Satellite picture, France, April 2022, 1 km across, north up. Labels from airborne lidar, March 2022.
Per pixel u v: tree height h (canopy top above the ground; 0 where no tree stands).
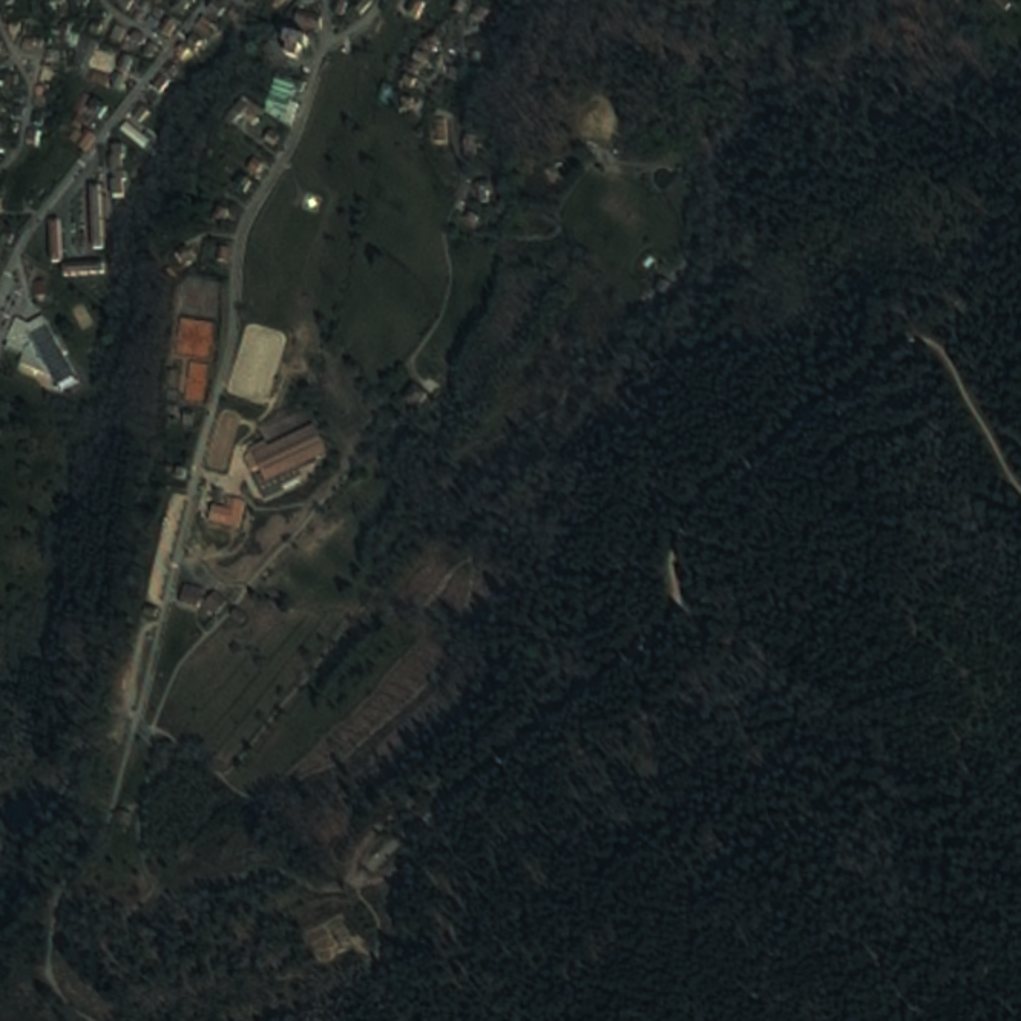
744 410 33
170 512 0
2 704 19
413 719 0
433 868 22
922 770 10
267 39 15
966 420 23
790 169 9
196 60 0
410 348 0
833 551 29
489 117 26
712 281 26
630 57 14
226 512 0
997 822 20
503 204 14
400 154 0
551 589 35
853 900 14
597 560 28
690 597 19
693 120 21
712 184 27
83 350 0
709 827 29
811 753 25
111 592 29
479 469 0
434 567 0
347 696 15
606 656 34
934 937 34
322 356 0
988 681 10
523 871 22
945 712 10
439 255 0
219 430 0
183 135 20
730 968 23
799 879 28
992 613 12
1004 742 8
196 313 0
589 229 0
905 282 12
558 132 22
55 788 0
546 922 18
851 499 23
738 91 21
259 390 0
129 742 0
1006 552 28
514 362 24
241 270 0
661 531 27
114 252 17
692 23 15
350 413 0
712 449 29
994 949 30
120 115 0
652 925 22
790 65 28
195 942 19
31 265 0
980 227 11
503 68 19
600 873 24
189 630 0
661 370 31
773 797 27
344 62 0
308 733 0
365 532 0
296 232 0
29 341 0
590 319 0
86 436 16
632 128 26
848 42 28
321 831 22
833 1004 21
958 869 27
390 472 15
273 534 0
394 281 0
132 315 22
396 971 26
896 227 10
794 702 29
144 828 13
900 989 25
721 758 25
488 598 0
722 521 23
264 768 0
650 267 0
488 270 0
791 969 22
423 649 0
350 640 0
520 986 21
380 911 0
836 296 8
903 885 29
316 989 28
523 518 33
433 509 34
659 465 27
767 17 32
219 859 0
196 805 13
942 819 32
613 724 30
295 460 0
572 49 23
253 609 0
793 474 28
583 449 12
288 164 0
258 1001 22
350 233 0
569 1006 28
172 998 18
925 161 26
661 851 32
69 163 0
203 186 14
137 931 13
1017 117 37
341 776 0
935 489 19
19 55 0
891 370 26
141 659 0
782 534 26
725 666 29
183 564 0
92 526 33
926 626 10
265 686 0
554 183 0
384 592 19
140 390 32
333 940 0
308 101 0
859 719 22
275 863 15
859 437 22
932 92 24
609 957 20
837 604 10
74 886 13
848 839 20
